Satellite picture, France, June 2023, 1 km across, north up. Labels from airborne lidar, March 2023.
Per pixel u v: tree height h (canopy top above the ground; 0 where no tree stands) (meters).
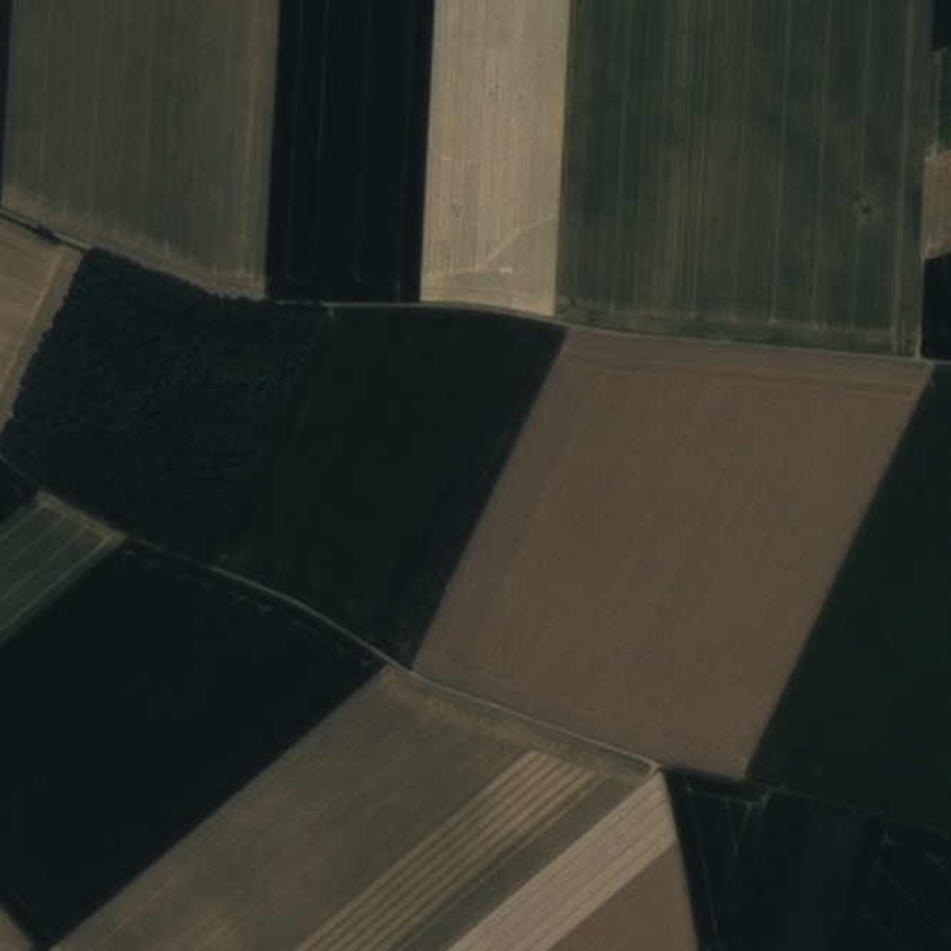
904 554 0
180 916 0
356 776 0
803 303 0
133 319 19
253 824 0
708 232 0
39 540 0
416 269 0
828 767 0
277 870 0
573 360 0
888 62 0
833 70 0
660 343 0
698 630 0
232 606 0
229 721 0
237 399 17
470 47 0
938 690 0
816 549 0
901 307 0
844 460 0
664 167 0
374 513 0
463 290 0
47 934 0
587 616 0
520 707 0
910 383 0
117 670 0
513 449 0
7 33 0
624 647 0
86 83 0
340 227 0
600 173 0
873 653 0
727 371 0
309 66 0
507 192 0
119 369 20
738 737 0
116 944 0
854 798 0
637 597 0
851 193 0
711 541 0
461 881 0
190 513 19
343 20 0
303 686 0
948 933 0
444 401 0
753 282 0
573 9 0
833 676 0
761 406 0
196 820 0
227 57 0
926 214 0
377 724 0
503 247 0
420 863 0
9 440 18
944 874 0
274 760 0
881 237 0
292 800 0
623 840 0
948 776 0
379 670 0
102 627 0
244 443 14
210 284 0
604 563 0
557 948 0
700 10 0
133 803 0
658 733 0
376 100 0
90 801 0
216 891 0
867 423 0
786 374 0
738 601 0
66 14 0
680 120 0
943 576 0
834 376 0
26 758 0
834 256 0
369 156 0
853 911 0
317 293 0
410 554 0
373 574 0
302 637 0
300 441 0
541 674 0
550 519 0
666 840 0
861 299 0
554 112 0
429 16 0
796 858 0
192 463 18
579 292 0
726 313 0
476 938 0
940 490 0
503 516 0
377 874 0
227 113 0
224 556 0
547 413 0
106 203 0
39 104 0
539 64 0
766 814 0
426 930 0
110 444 24
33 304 0
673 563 0
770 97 0
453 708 0
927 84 0
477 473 0
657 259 0
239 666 0
